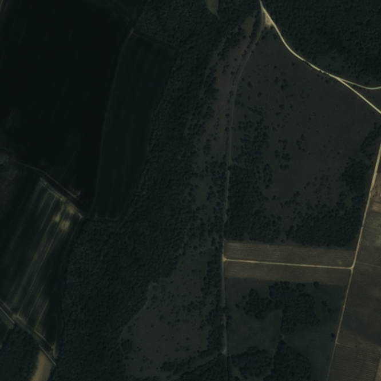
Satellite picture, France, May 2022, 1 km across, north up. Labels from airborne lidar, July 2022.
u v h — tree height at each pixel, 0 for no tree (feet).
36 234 0
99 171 0
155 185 68
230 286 0
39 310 0
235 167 32
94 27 0
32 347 78
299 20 56
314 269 0
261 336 0
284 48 0
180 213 46
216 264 41
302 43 37
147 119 0
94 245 63
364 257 0
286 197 0
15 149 0
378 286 0
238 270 0
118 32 0
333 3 50
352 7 52
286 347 40
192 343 0
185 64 61
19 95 0
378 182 0
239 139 0
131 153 0
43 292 0
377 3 75
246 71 0
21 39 0
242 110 0
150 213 74
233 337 0
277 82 26
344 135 0
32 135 0
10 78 0
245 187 38
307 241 36
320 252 0
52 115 0
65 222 0
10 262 0
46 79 0
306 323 61
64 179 0
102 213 0
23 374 78
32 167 0
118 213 0
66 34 0
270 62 0
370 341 0
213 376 28
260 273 0
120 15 0
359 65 22
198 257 0
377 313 0
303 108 0
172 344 0
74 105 0
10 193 0
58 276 0
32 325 0
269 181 28
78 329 62
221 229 39
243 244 0
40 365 0
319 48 53
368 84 20
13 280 0
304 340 0
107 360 42
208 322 31
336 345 0
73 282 58
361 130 0
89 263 77
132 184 0
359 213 40
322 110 0
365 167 17
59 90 0
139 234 65
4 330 0
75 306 61
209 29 56
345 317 0
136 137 0
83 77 0
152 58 0
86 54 0
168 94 51
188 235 31
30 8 0
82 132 0
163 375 0
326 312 0
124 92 0
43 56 0
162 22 73
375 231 0
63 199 0
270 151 0
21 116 0
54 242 0
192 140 48
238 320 0
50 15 0
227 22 50
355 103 0
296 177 0
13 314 0
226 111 0
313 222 35
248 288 0
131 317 24
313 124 0
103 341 50
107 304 71
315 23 33
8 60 0
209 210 0
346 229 30
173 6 51
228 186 0
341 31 44
